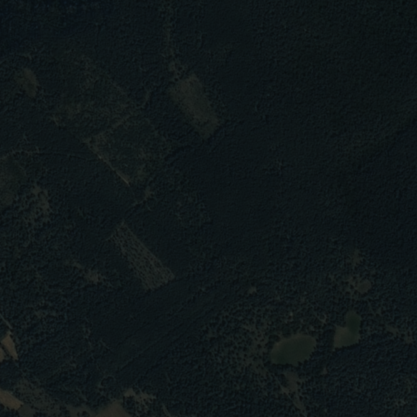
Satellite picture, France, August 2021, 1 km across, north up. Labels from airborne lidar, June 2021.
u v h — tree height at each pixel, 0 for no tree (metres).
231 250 15
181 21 14
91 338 12
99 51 13
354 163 14
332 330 9
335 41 12
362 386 12
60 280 16
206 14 15
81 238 10
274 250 16
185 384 19
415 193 13
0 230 15
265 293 10
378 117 16
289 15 12
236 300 11
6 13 7
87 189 9
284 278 13
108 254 10
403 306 15
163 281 13
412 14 15
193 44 12
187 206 8
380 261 17
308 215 15
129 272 10
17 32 7
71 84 7
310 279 10
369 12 14
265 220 15
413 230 17
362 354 14
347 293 8
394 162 16
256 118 16
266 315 12
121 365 10
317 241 15
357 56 11
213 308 10
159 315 13
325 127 12
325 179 13
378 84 12
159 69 13
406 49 17
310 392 10
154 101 12
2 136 13
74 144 14
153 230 14
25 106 16
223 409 18
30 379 14
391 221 19
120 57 16
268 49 15
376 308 13
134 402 7
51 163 13
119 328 14
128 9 13
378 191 16
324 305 13
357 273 8
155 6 11
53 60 8
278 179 18
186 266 12
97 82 7
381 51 13
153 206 6
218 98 12
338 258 13
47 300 7
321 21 10
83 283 12
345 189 13
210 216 11
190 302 13
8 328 12
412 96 15
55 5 11
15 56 15
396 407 8
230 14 14
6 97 12
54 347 17
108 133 7
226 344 11
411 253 20
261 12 15
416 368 15
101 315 14
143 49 10
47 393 9
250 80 14
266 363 7
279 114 18
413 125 16
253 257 11
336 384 7
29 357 17
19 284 11
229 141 14
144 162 5
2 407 14
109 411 0
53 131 15
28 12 6
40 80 16
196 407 11
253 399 12
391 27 10
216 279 14
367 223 14
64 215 13
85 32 14
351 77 16
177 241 10
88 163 7
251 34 15
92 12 9
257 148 13
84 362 7
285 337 9
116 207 10
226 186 17
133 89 12
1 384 15
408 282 14
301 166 14
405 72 14
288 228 17
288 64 9
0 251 9
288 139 15
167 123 15
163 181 8
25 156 8
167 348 11
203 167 16
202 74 13
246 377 8
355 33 12
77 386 14
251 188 16
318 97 13
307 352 0
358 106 11
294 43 11
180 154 17
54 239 14
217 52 10
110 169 8
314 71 12
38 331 18
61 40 8
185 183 9
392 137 16
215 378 10
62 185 9
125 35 11
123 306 14
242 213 13
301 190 14
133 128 5
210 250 9
